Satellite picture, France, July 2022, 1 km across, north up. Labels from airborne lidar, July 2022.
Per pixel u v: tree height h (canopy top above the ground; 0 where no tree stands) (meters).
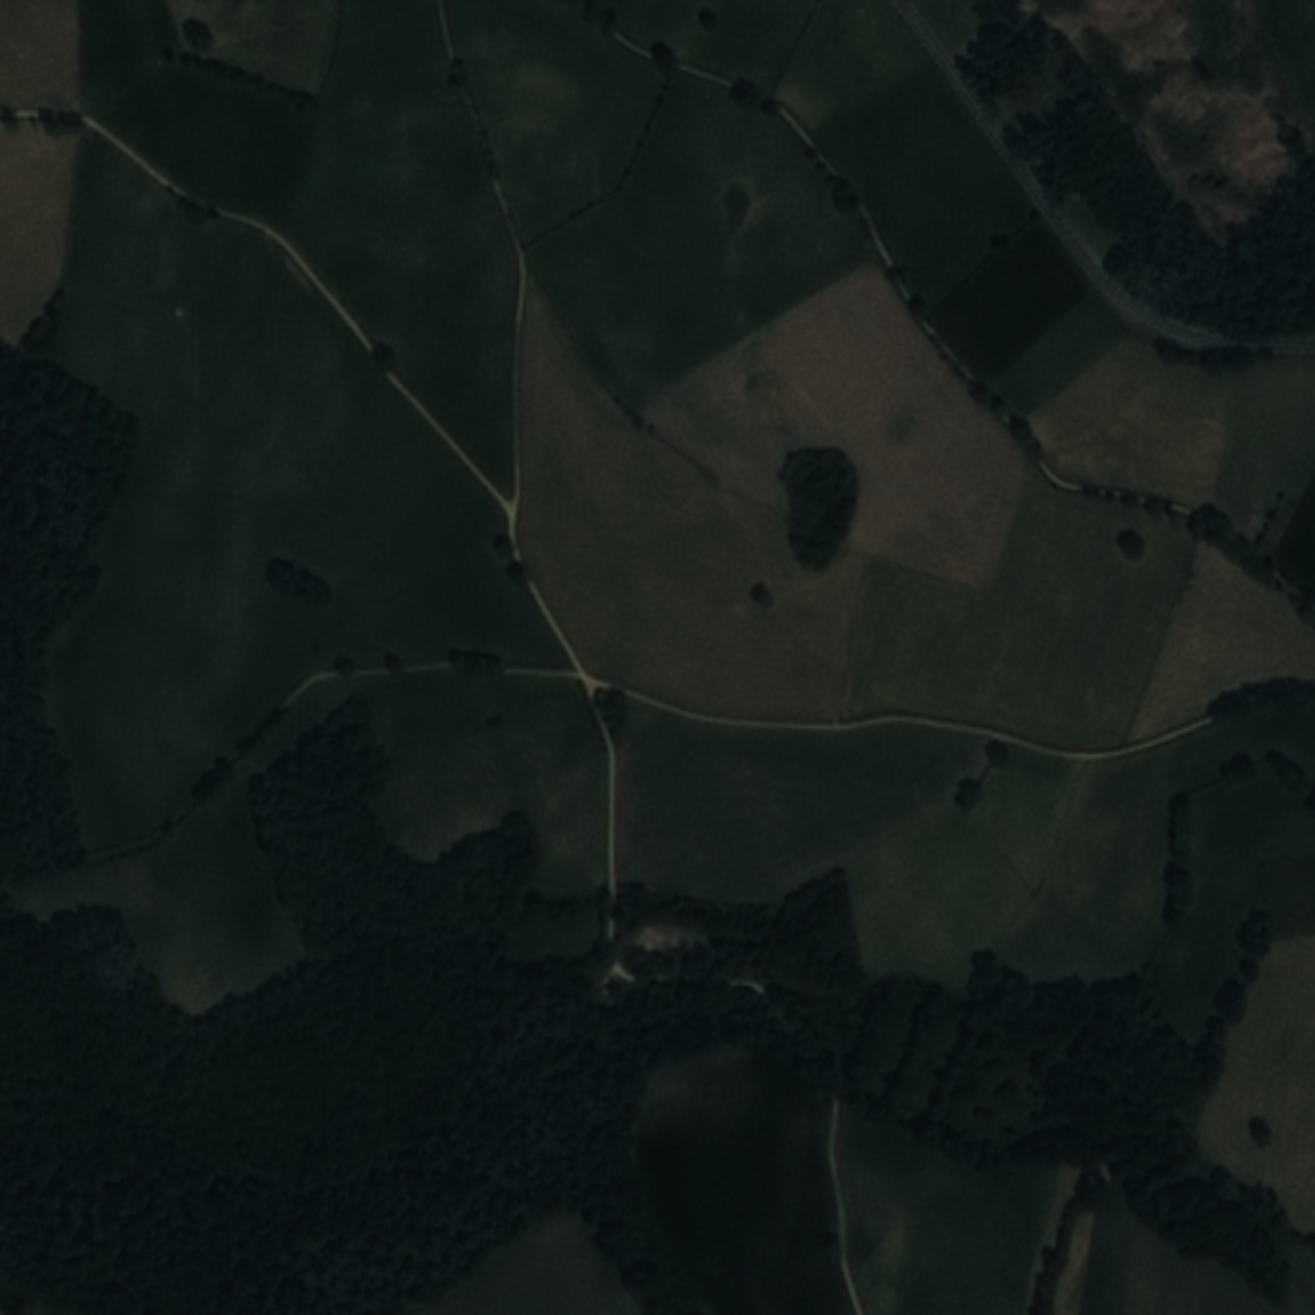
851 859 0
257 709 0
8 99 0
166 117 0
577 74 0
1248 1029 0
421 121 0
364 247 0
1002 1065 7
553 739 0
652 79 0
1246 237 28
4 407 19
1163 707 0
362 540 0
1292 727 0
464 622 0
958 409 0
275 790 16
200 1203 26
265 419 0
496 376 0
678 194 0
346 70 0
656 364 0
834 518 8
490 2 0
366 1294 13
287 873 24
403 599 0
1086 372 0
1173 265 26
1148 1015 15
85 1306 21
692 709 0
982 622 0
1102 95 29
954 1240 0
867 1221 0
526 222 0
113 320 0
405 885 12
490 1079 17
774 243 0
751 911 7
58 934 20
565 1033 8
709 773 0
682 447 0
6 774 23
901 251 0
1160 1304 0
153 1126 23
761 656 0
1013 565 0
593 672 0
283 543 0
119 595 0
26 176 0
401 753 0
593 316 0
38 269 0
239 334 0
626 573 0
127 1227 32
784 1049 20
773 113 10
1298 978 0
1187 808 16
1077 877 0
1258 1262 21
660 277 0
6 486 30
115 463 14
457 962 20
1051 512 0
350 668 11
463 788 0
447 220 0
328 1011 23
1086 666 0
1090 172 21
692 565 0
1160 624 0
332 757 21
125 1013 13
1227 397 0
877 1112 17
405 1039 17
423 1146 22
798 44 0
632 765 0
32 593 27
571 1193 10
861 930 0
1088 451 0
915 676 0
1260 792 0
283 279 0
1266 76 0
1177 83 0
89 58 0
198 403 0
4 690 22
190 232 0
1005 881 0
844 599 0
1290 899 0
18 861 23
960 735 0
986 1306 0
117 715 0
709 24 14
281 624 0
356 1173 16
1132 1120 24
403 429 0
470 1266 16
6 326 0
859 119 0
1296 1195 0
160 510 0
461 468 0
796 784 0
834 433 0
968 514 0
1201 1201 30
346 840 18
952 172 0
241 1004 14
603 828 0
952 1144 24
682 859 0
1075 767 0
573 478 0
